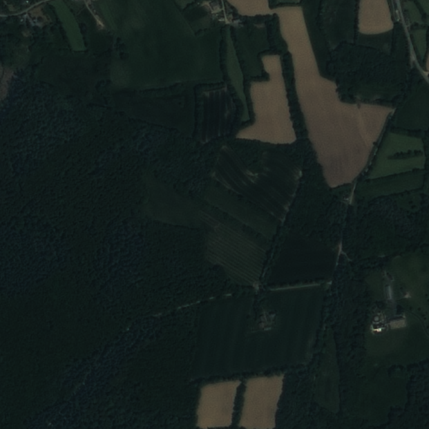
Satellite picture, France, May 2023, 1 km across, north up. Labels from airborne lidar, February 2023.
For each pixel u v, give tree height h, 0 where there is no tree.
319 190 17
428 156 11
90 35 0
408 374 20
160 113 0
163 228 16
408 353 0
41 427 24
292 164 0
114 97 0
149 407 12
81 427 18
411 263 0
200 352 0
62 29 13
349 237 23
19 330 14
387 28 0
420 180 0
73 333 16
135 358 13
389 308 0
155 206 0
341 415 16
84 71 0
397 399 0
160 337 24
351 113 0
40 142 29
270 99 0
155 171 14
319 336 12
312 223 17
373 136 0
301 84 0
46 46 10
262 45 0
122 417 18
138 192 15
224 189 10
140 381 12
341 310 26
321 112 0
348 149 0
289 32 0
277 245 8
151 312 17
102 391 17
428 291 0
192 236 13
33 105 28
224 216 10
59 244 27
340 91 16
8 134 27
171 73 0
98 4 0
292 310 0
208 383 11
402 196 13
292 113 18
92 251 19
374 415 0
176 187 17
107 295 20
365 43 0
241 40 0
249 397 0
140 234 21
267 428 0
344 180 0
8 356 13
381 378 0
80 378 26
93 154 16
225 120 0
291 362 0
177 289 16
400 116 0
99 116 18
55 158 19
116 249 22
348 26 0
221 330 0
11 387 12
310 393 14
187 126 0
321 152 0
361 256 18
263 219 0
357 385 17
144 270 19
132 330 17
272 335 0
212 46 0
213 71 0
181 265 17
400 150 0
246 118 0
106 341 14
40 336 15
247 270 0
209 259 0
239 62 10
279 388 0
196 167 19
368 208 19
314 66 0
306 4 0
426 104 0
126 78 0
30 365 14
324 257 0
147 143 28
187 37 0
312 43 0
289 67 9
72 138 28
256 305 11
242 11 0
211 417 0
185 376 12
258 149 11
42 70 0
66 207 17
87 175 12
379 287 0
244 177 0
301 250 0
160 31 0
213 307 0
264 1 0
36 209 22
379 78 19
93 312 14
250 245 0
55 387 14
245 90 8
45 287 16
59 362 14
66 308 16
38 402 14
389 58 16
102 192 16
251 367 0
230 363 0
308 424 13
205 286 17
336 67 18
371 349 0
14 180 20
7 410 14
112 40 0
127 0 0
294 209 12
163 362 13
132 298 15
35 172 18
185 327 8
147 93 10
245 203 13
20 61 0
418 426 10
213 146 18
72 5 0
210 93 0
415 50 6
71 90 0
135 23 0
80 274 18
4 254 23
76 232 18
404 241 17
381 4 0
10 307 16
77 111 20
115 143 17
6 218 18
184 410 12
